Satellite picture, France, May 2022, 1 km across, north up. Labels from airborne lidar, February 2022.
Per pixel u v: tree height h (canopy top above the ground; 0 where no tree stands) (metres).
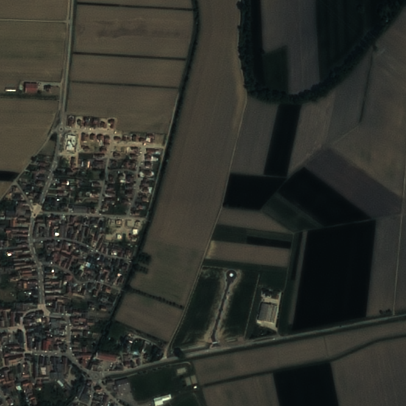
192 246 0
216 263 0
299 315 0
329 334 0
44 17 0
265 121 0
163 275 0
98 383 0
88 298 0
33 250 0
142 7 0
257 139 0
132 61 0
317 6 0
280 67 0
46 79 0
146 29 0
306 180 0
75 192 0
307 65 0
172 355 0
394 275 0
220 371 0
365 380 0
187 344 0
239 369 0
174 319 0
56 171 10
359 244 0
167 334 0
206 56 0
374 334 0
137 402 0
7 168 0
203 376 0
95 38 0
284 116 0
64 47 0
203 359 0
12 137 0
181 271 0
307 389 0
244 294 0
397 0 0
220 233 0
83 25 0
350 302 0
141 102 0
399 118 0
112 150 0
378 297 0
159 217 0
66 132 0
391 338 0
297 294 0
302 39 0
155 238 0
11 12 0
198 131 0
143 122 0
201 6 0
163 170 9
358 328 0
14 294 0
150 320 0
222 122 0
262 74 0
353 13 0
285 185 0
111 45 0
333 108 0
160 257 0
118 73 0
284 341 0
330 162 0
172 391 0
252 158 0
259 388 0
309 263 0
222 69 0
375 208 0
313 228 0
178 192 0
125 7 0
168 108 0
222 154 0
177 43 0
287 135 0
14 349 0
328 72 0
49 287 0
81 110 0
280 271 0
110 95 0
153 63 0
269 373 0
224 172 0
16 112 0
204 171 0
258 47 0
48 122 0
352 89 0
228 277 0
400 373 0
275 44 0
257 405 0
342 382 0
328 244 0
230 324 0
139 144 0
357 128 0
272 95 14
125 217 0
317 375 0
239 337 0
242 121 0
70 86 0
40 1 0
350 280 0
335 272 0
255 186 0
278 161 0
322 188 0
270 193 0
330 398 0
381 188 0
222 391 0
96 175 0
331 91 0
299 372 0
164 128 0
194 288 0
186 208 0
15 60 0
